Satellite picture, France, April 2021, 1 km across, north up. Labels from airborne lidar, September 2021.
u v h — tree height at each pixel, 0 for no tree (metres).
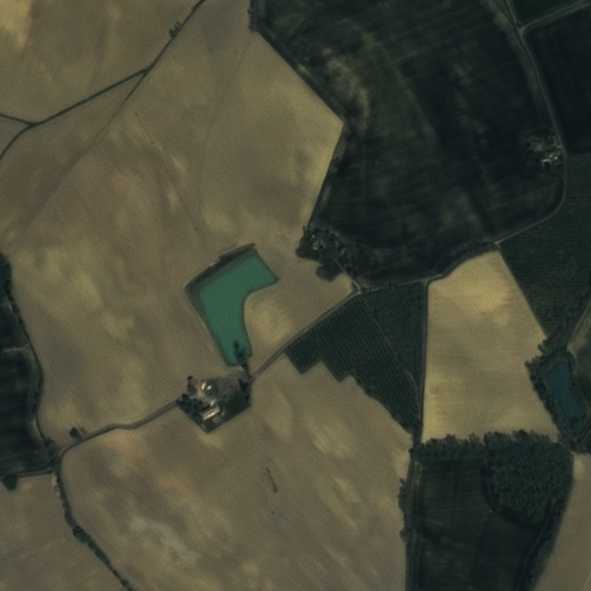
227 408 0
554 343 19
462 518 0
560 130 0
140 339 0
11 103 0
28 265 0
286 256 0
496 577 0
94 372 0
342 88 0
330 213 0
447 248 0
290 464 0
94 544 13
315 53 0
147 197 0
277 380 0
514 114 0
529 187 0
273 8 0
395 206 0
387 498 0
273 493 0
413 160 0
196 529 0
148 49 0
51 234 0
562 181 0
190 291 0
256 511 0
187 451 0
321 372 0
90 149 0
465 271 0
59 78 0
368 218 0
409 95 0
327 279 15
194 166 0
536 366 12
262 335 0
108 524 0
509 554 0
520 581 0
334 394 0
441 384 0
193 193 0
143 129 0
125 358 0
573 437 9
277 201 0
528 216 0
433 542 0
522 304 0
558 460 20
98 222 0
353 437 0
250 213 0
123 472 0
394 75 0
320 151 0
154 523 0
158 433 0
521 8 0
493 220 0
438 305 0
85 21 0
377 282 0
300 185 0
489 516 0
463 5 0
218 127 0
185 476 0
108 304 0
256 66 0
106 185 0
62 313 0
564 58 0
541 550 14
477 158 0
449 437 0
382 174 0
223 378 0
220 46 0
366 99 0
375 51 0
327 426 0
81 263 0
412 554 8
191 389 10
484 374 0
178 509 0
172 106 0
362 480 0
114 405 0
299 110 0
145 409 0
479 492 0
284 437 0
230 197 0
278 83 0
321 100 0
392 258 0
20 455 0
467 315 0
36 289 0
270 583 0
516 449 21
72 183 0
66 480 0
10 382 0
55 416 0
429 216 0
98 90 0
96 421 0
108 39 0
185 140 0
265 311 0
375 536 0
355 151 0
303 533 0
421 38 0
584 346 0
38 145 0
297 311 0
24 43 0
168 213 0
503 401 0
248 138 0
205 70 0
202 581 0
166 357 0
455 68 0
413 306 11
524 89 0
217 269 0
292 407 0
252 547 0
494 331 0
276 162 0
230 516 0
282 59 0
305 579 0
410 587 0
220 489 0
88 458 0
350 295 0
